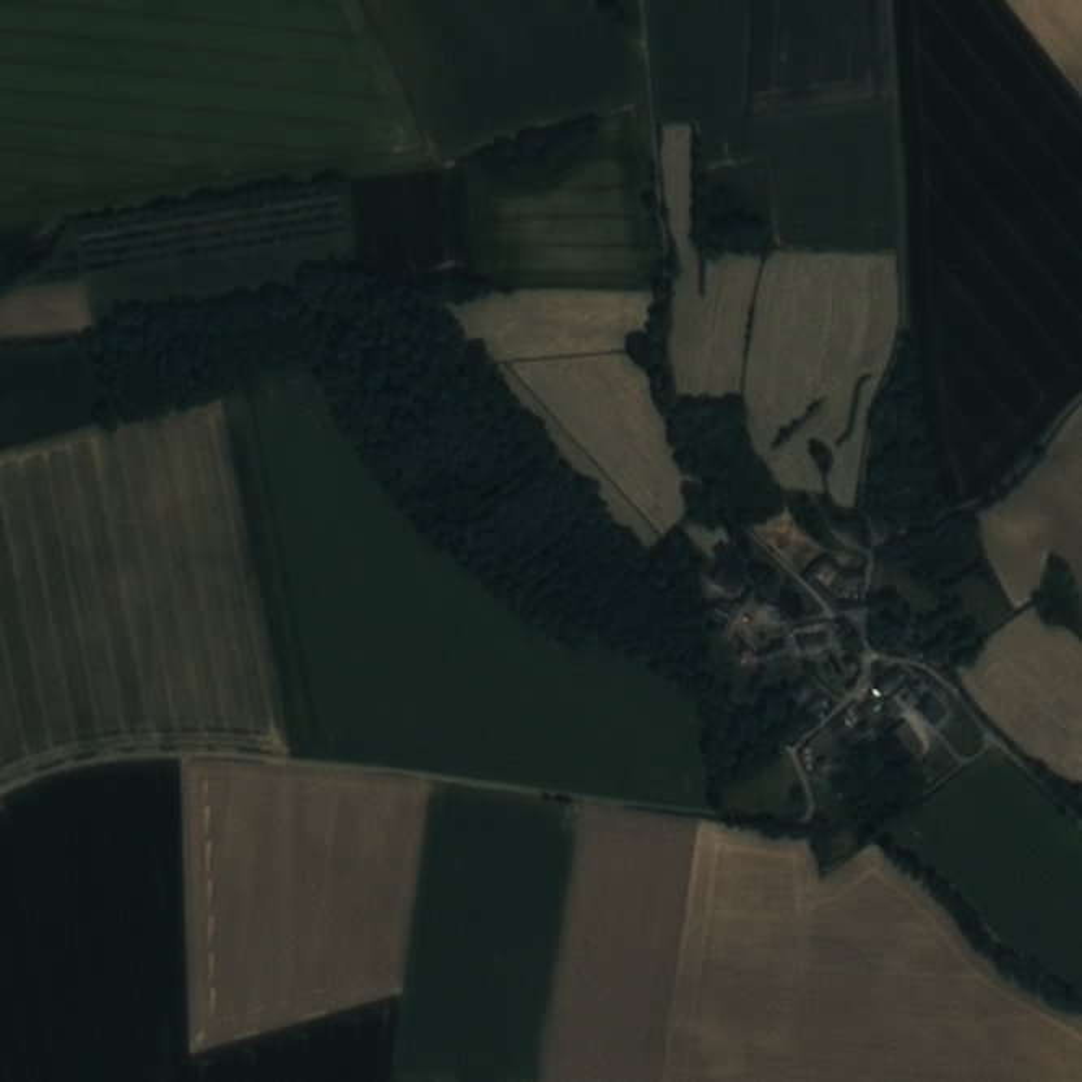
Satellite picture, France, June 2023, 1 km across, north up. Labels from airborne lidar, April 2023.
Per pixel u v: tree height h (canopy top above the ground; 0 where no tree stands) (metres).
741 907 0
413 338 24
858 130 0
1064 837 0
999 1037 0
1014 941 0
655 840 0
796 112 0
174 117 0
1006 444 0
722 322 0
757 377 0
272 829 0
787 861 0
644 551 23
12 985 0
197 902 0
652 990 0
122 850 0
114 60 0
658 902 0
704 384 0
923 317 0
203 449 0
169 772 0
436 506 11
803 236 0
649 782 0
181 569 0
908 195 0
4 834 0
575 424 0
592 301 0
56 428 0
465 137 0
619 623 21
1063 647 0
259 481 0
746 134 0
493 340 0
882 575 0
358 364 15
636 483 0
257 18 0
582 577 21
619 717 0
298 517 0
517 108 0
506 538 23
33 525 0
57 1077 0
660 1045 0
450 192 0
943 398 0
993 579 10
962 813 0
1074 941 0
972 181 0
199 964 0
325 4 0
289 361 16
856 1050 0
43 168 0
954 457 0
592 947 0
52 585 0
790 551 0
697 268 0
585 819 0
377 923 0
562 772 0
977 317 0
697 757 0
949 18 0
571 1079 0
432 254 0
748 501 18
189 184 0
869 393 0
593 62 0
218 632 0
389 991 0
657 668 12
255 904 0
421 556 0
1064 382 0
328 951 0
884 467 14
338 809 0
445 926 0
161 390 23
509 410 24
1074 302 0
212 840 0
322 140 0
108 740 0
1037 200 0
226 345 28
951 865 0
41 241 0
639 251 0
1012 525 0
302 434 0
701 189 15
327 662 0
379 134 0
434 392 26
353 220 0
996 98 0
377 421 23
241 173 0
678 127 0
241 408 0
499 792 0
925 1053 0
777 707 21
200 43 0
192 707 0
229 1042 0
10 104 0
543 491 33
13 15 0
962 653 17
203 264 0
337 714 0
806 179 0
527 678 0
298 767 0
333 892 0
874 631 16
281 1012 0
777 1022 0
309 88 0
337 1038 0
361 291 11
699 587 19
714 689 18
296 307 27
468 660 0
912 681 6
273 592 0
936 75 0
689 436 25
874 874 0
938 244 0
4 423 0
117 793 0
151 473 0
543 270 0
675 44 0
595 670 0
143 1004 0
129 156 0
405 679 0
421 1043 0
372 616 0
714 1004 0
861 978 0
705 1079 0
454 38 0
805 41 0
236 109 0
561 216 0
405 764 0
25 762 0
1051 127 0
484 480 20
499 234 0
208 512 0
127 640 0
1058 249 0
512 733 0
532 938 0
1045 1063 0
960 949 0
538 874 0
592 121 11
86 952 0
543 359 0
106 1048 0
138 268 0
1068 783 10
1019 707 0
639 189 0
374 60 0
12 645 0
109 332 22
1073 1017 0
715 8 0
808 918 0
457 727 0
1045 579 0
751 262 0
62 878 0
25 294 0
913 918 0
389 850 0
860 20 0
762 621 0
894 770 20
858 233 0
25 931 0
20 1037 0
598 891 0
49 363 0
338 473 0
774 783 0
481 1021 0
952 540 11
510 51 0
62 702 0
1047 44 0
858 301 0
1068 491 0
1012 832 0
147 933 0
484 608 0
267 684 0
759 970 0
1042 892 0
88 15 0
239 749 0
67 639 0
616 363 0
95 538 0
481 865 0
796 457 0
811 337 0
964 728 0
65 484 0
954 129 0
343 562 0
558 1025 0
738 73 0
